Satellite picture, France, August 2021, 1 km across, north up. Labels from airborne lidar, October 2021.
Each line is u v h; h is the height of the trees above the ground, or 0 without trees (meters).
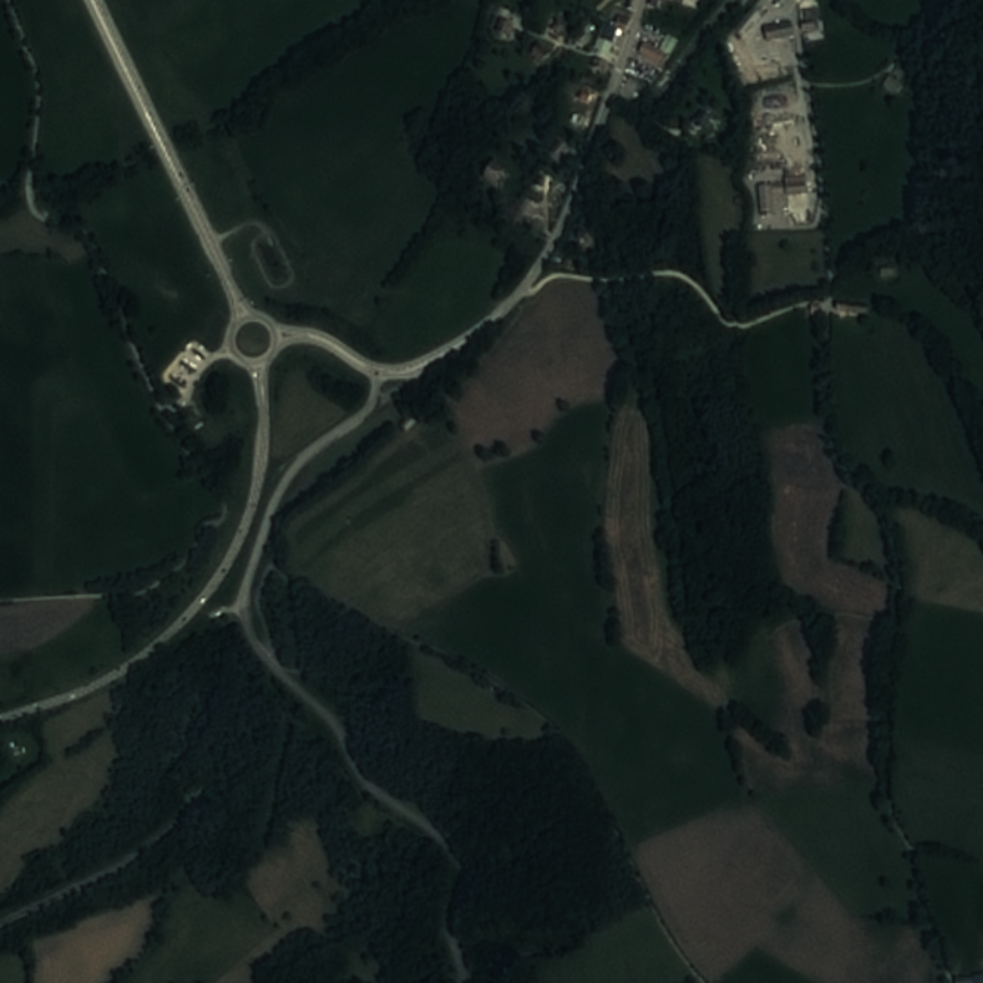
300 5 0
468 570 0
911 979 0
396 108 0
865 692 0
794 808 0
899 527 16
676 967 0
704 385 13
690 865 0
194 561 10
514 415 0
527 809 31
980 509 0
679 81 7
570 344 0
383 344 0
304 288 0
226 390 17
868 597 0
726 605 22
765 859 0
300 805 15
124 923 0
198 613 0
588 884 21
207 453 6
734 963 0
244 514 0
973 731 0
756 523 31
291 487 0
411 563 0
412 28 0
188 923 0
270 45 0
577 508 0
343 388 15
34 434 0
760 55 0
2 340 0
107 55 0
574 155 14
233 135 14
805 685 0
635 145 0
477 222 9
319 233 0
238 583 0
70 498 0
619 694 0
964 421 14
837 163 0
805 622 18
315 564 0
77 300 0
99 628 0
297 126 0
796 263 0
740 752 15
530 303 0
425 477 0
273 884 0
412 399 23
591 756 0
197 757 16
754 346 0
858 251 21
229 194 0
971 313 14
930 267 15
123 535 0
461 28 0
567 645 0
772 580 32
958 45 33
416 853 17
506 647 0
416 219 0
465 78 18
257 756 16
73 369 0
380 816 0
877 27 22
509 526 0
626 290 17
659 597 0
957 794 0
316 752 16
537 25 7
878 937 0
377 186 0
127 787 13
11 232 0
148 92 0
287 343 0
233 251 0
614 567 18
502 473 0
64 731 0
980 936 0
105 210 0
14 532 0
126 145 0
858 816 0
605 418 0
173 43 0
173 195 0
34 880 7
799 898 0
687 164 19
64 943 0
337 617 17
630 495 0
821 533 0
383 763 24
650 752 0
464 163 20
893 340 0
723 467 28
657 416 23
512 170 0
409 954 17
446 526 0
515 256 15
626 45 0
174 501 0
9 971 0
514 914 31
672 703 0
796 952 0
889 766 17
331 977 20
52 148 0
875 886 0
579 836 21
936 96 27
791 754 14
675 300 8
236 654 21
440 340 0
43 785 0
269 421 0
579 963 0
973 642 0
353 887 16
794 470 0
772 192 0
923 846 7
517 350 0
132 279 0
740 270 26
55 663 0
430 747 23
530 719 0
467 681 0
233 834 18
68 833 16
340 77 0
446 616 0
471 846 23
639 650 0
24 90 0
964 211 19
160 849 16
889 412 0
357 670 15
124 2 0
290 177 0
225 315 0
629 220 26
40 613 0
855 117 0
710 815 0
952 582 0
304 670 9
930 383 0
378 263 0
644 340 16
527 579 0
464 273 0
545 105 17
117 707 9
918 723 0
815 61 17
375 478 0
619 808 0
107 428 0
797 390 0
